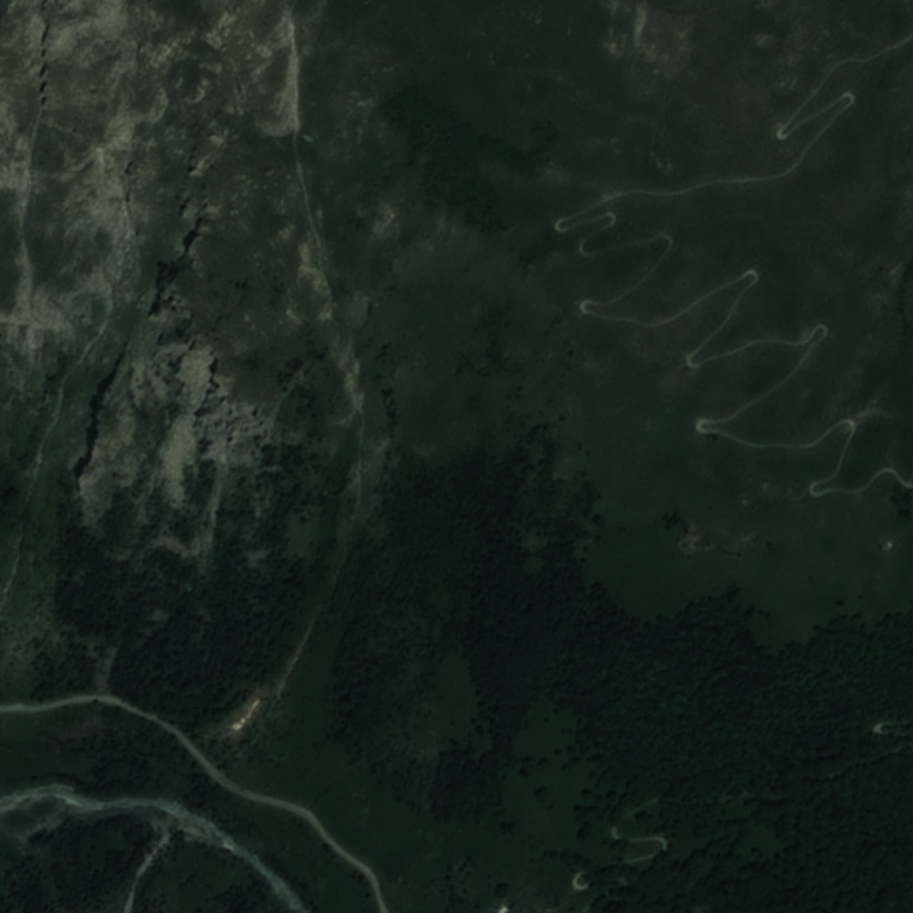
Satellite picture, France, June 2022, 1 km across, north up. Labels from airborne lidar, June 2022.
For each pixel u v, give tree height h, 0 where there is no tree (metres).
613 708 15
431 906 0
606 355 0
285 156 0
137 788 9
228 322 0
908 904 18
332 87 0
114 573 8
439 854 0
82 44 0
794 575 0
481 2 0
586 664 13
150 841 10
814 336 0
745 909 17
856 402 0
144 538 11
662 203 0
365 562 7
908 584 0
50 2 0
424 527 8
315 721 0
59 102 0
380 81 0
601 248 0
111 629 16
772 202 0
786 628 0
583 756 14
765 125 0
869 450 0
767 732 10
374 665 14
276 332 0
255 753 10
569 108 0
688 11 0
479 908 6
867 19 0
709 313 0
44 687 12
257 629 17
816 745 9
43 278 0
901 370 0
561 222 0
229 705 12
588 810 10
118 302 0
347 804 0
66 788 0
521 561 10
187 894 0
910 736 7
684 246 0
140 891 7
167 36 0
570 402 0
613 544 0
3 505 7
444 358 0
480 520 7
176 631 17
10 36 0
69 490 6
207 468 12
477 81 0
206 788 9
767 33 0
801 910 21
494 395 0
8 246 0
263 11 0
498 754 16
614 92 0
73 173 0
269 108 0
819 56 0
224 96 0
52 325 0
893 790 9
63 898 7
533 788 0
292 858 0
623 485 0
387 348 7
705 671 17
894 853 17
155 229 0
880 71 0
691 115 0
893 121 0
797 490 0
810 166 0
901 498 8
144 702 15
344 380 0
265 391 0
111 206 0
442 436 0
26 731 0
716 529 0
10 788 0
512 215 0
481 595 14
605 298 0
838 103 0
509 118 0
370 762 8
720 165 0
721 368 0
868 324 0
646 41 0
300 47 0
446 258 0
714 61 0
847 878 18
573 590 14
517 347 0
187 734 9
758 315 0
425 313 0
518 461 8
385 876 0
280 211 0
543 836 0
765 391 0
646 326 0
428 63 0
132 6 0
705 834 14
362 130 0
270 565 16
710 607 9
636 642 13
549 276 0
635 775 18
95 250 0
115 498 13
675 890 19
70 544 12
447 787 16
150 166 0
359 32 0
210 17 0
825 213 0
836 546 0
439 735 0
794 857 16
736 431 0
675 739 14
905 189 0
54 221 0
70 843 10
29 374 0
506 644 13
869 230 0
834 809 17
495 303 0
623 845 12
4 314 48
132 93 0
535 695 13
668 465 0
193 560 9
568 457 0
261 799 0
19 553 6
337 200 0
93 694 7
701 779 16
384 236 0
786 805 15
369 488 0
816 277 0
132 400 10
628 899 17
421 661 10
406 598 5
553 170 0
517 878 0
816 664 15
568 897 0
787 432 0
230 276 0
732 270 0
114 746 10
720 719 15
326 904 0
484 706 14
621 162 0
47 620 7
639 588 0
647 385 0
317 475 12
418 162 0
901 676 11
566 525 6
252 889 7
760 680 14
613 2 0
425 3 0
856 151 0
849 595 0
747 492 0
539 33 0
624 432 0
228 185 0
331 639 0
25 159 0
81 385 0
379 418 0
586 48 0
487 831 0
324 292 0
